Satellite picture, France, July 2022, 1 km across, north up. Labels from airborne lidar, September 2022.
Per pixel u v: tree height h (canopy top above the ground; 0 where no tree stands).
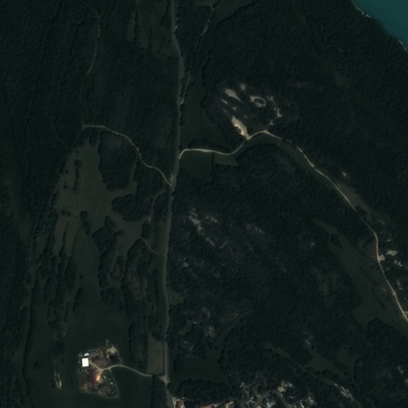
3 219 13
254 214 6
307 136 19
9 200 15
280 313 11
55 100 14
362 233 11
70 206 0
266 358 9
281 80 14
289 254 10
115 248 6
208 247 9
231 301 7
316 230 12
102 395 0
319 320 9
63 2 16
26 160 13
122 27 9
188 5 14
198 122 0
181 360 13
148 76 9
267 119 10
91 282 0
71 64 12
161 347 0
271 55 14
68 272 15
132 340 6
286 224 18
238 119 0
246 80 8
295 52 15
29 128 16
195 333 15
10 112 14
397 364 11
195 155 0
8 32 14
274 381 7
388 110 20
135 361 8
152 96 10
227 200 12
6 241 15
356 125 7
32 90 11
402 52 10
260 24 10
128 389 0
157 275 14
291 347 12
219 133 0
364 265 0
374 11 0
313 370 11
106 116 10
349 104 12
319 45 19
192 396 11
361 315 0
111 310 0
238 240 8
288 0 11
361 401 7
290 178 8
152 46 12
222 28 16
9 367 8
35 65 12
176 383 0
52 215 12
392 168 16
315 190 14
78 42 11
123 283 11
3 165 17
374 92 18
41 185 18
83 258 0
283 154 8
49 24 20
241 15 18
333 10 13
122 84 10
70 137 18
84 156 0
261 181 9
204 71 18
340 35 24
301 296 9
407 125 14
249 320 13
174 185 0
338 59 11
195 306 9
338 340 15
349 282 10
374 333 10
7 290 8
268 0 14
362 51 16
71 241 0
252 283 6
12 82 11
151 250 0
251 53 12
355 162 15
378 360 9
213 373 0
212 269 12
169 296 0
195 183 14
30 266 9
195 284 14
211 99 9
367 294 0
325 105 12
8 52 12
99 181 0
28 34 16
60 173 13
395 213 16
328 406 10
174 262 7
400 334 10
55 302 13
